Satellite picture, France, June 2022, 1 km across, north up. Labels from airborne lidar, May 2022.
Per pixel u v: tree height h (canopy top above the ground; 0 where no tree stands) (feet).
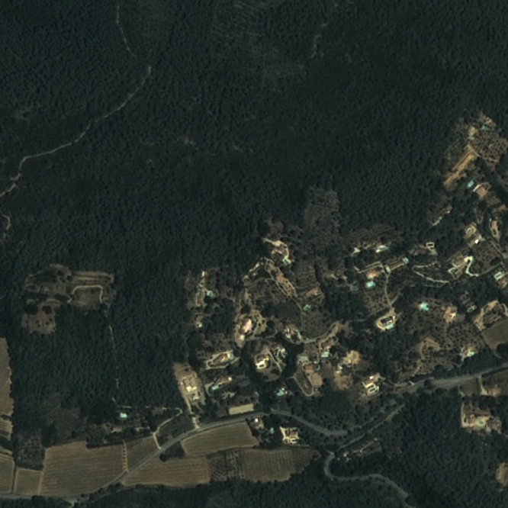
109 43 56
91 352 64
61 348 41
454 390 22
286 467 0
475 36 69
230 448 0
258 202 68
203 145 24
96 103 52
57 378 51
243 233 49
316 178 42
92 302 0
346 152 38
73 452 0
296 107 20
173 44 52
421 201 65
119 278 72
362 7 41
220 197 39
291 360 57
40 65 60
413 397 45
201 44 48
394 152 65
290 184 50
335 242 31
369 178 64
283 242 42
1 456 0
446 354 27
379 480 19
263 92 39
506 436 65
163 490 32
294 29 50
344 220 39
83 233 76
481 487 48
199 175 28
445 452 58
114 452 0
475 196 55
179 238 18
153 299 52
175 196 63
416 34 29
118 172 22
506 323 0
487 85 47
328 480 28
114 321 43
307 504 61
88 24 46
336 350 25
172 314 32
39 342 63
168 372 56
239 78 42
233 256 67
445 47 52
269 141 34
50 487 0
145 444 0
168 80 57
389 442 44
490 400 60
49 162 44
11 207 23
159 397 66
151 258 45
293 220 62
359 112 23
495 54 62
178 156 19
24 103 19
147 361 42
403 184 52
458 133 25
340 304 69
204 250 52
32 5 28
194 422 0
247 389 58
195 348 41
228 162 25
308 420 61
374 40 22
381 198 60
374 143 65
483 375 26
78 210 30
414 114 24
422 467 58
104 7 53
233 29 28
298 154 20
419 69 24
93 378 49
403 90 20
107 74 49
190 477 0
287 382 53
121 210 61
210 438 0
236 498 55
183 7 60
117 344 51
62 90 53
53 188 21
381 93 25
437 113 64
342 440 60
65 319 40
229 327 65
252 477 0
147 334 48
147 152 19
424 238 59
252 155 24
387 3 50
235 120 45
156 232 72
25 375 30
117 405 48
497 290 69
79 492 0
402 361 73
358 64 21
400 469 22
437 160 65
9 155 41
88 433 26
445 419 54
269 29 49
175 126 49
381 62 31
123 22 20
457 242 66
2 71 42
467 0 49
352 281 57
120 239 77
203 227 73
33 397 52
